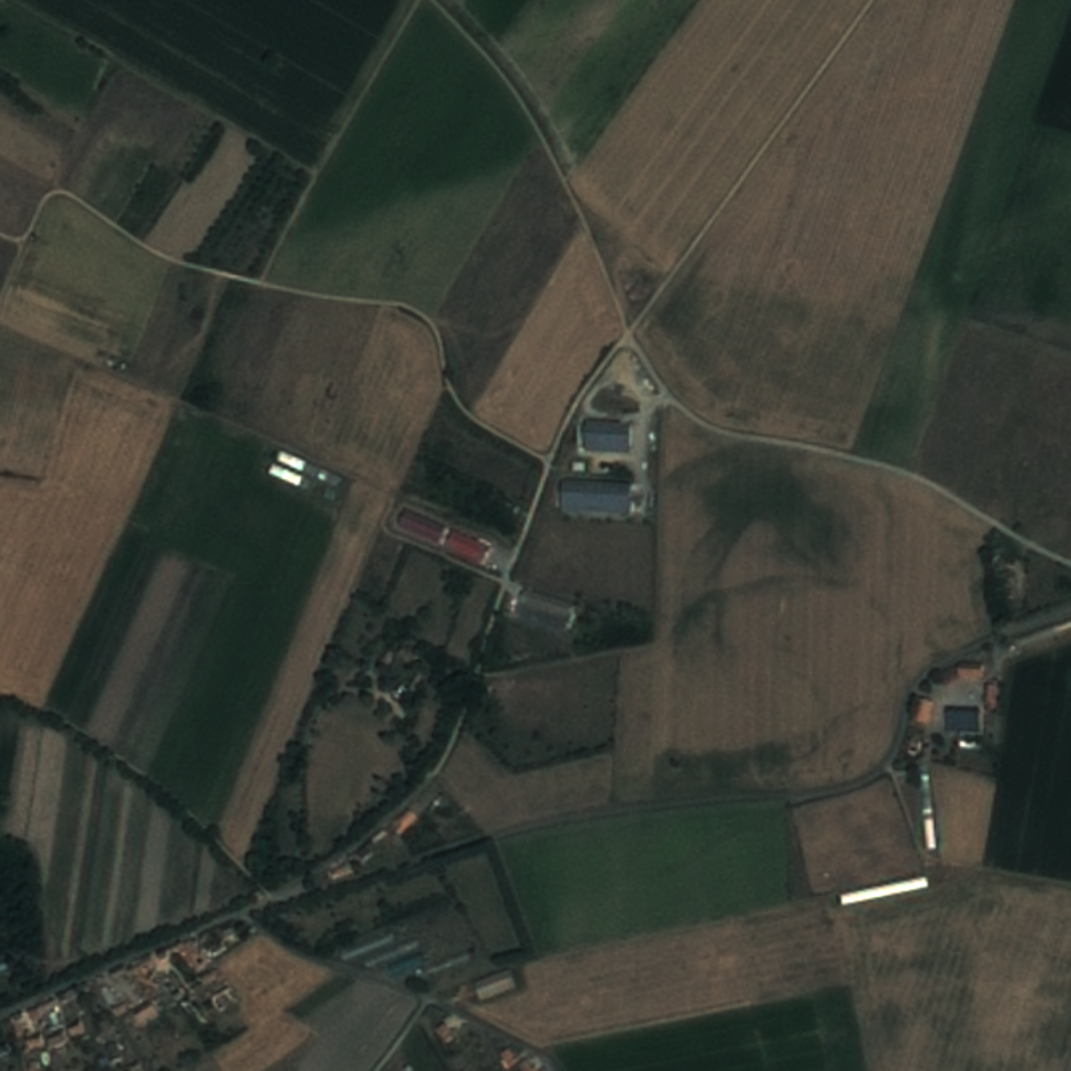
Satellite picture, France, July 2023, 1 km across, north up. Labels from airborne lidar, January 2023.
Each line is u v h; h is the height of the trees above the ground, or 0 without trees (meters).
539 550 0
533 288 0
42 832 0
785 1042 0
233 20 0
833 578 0
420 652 11
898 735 0
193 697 0
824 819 0
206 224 0
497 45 0
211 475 0
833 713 0
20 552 0
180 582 0
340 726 0
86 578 0
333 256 0
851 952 0
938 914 0
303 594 0
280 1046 0
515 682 0
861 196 0
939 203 0
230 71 0
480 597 0
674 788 0
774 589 0
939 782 0
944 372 0
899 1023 0
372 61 0
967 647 0
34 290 0
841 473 0
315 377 0
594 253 0
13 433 0
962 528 0
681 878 0
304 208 0
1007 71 0
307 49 0
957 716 0
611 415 0
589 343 0
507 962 11
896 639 0
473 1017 0
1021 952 0
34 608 0
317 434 0
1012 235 0
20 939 9
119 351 0
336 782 0
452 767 0
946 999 0
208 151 7
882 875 0
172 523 0
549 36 0
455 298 0
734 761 0
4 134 0
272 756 0
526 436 0
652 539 0
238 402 0
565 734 0
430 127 0
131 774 7
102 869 0
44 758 0
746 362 0
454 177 0
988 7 0
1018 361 0
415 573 0
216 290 0
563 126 0
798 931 0
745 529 0
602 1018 0
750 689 0
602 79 0
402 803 14
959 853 0
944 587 0
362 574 0
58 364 0
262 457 0
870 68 0
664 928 0
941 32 0
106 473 0
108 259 0
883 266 0
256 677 0
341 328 0
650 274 0
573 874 0
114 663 0
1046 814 0
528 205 0
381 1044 0
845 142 0
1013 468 0
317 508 0
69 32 0
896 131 0
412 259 0
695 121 0
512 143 0
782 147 0
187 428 0
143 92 0
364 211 0
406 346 0
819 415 0
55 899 0
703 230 0
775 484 0
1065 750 0
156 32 0
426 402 0
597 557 0
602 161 0
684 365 0
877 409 0
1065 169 0
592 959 0
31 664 0
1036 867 0
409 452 0
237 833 0
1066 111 0
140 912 0
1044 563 0
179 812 12
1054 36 0
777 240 0
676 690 0
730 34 0
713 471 0
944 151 0
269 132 0
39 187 0
